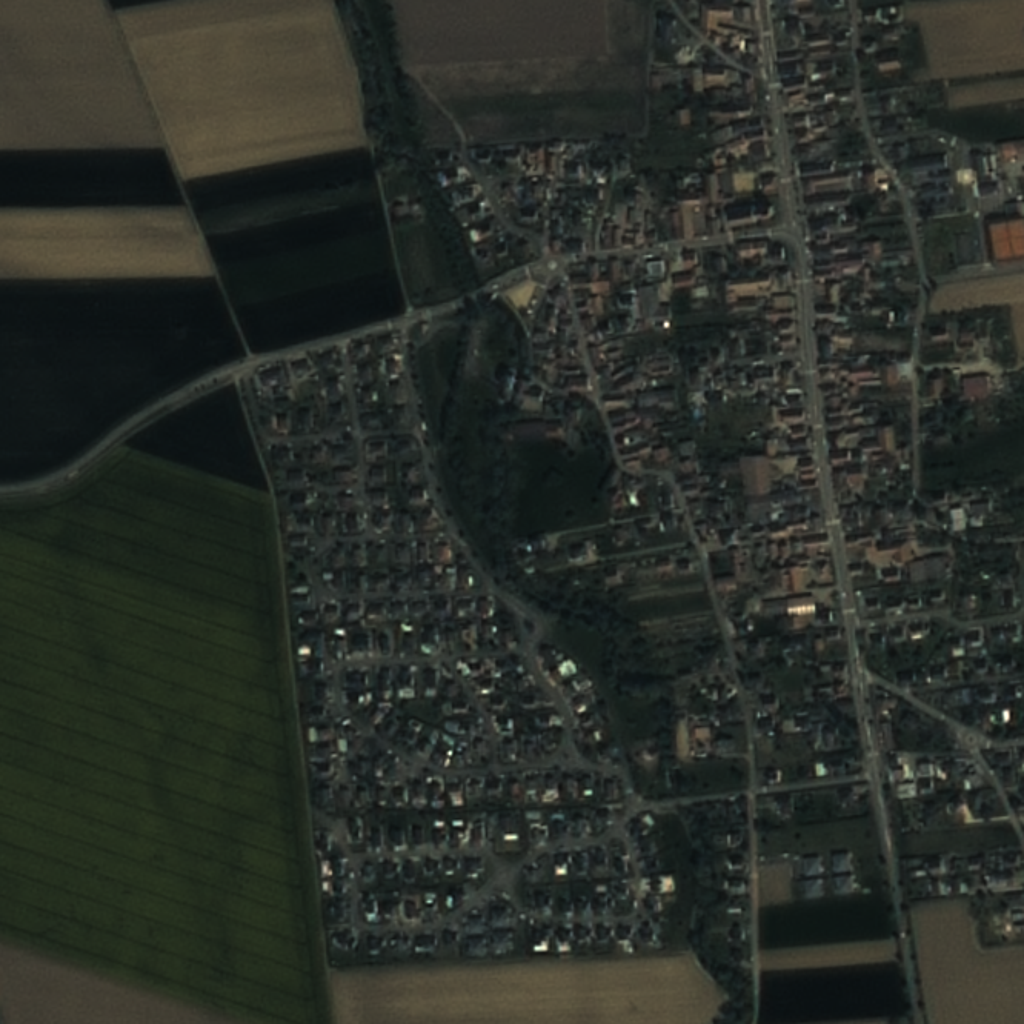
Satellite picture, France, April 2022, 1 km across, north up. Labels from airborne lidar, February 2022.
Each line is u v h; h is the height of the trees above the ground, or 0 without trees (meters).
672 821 0
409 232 0
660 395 0
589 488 0
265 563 0
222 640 0
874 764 0
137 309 0
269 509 0
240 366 0
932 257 0
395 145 14
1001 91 0
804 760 0
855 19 0
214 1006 0
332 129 0
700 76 0
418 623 0
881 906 0
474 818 0
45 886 0
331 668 0
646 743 0
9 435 0
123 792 0
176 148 0
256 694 0
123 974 0
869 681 0
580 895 0
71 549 0
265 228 0
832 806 0
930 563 0
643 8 0
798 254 0
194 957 0
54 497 0
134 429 0
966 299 0
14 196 0
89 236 0
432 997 0
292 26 0
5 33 0
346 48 0
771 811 0
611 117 0
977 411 0
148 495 0
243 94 0
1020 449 0
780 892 0
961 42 0
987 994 0
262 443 0
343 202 0
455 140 0
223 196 0
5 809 0
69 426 0
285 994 0
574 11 0
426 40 0
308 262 0
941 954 0
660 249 0
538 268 0
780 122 0
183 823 0
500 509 17
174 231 0
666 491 7
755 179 0
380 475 0
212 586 0
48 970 0
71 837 0
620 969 0
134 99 0
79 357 0
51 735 0
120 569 0
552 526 0
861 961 0
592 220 0
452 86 0
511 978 0
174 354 0
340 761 0
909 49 0
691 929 0
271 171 0
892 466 9
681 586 0
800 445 0
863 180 0
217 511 0
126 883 0
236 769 0
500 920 0
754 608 0
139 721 0
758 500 0
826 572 0
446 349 0
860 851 0
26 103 0
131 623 0
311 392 0
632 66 0
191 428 0
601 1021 0
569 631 11
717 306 10
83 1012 0
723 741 0
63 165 0
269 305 0
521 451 0
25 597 0
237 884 0
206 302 0
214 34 0
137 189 0
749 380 7
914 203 0
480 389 0
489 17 0
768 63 0
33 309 0
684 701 0
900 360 0
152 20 0
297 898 0
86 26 0
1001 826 0
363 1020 0
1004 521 0
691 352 8
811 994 0
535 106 0
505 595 0
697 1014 0
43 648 0
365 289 0
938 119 0
